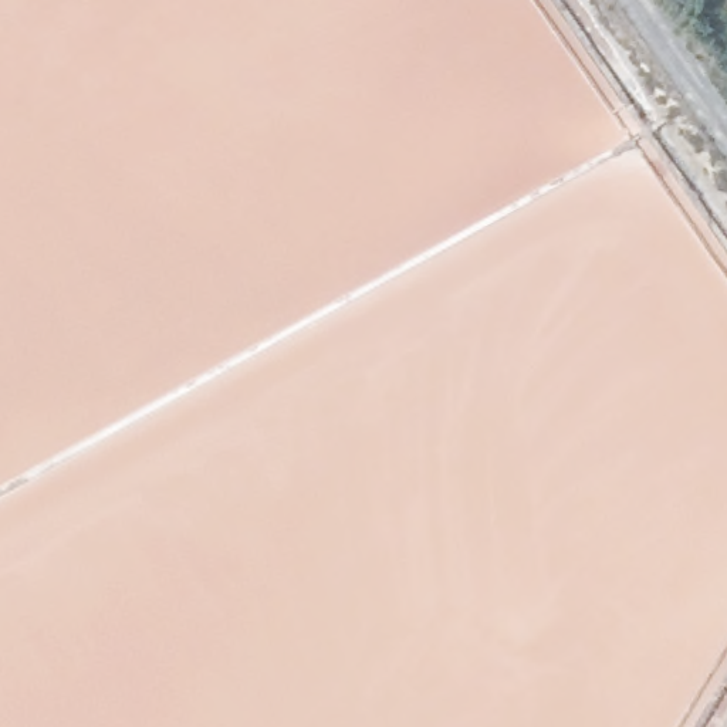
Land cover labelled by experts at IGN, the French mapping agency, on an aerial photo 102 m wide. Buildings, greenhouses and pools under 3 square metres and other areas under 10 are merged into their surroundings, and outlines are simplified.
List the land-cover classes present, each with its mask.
<instances>
[{"label":"water","instance_id":"1","mask_svg":"<svg viewBox=\"0 0 727 727\"><path fill-rule=\"evenodd\" d=\"M554 28L545 23L534 0H0V480L31 469L34 463L57 454L60 449L94 434L97 429L119 420L122 415L145 406L148 400L222 364L224 358L258 344L281 327L366 284L389 267L406 261L409 256L437 244L440 239L463 230L466 224L520 199L531 187L551 182L554 176H562L565 170L591 159L594 153L605 151V116L611 114V108L602 105L591 82H579V77L574 74V57L565 51L559 37H548ZM585 14L591 31L608 48L613 68L619 71V77L639 99V105L647 111L656 128L665 119L662 108L650 99L647 88L636 77L625 48L599 23L591 0H574ZM682 131L696 133V125H690L684 116L673 119L662 131V136L676 151V156L690 168L710 207L727 224V193L716 187L718 173L710 153L696 151L687 139L679 136ZM611 185L605 179H594L576 187L574 193L548 202L545 207H525L523 213L471 236L454 250L432 258L429 264L412 270L395 284L364 298L355 310H344L327 318L315 329L290 338L287 344L270 349L258 361H250L233 375L207 383L202 392L187 395L185 400L119 432L116 437L91 449L88 454L77 457L60 471L40 477L28 494L0 505V727H676L701 679L707 676V670L713 667L716 656L727 642V298L667 213H662L656 204H639L636 196L619 199L608 190Z\"/></svg>","mask_w":727,"mask_h":727},{"label":"pervious surface","instance_id":"2","mask_svg":"<svg viewBox=\"0 0 727 727\"><path fill-rule=\"evenodd\" d=\"M545 23L554 28L548 37H559L565 51L574 57V74L579 77V82H591L602 105L611 108V114L605 116V151L594 153L591 159L565 170L562 176H554L551 182L531 187L520 199L466 224L463 230L440 239L437 244L409 256L406 261L389 267L366 284L281 327L258 344L224 358L222 364L148 400L145 406L122 415L119 420L97 429L94 434L60 449L57 454L34 463L31 469L0 480V505L28 494L40 477L60 471L77 457L88 454L91 449L116 437L119 432L185 400L187 395L202 392L207 383L233 375L250 361H258L270 349L287 344L290 338L315 329L327 318L344 310H355L364 298L395 284L412 270L429 264L432 258L454 250L471 236L523 213L525 207H545L548 202L574 193L576 187L594 179H605L611 185L608 190L619 199L636 196L639 204H656L662 213H667L727 298V224L710 207L690 168L676 156V151L662 136V131L673 119L684 116L676 105L673 91H665V80H656V74H650L647 43L636 34L630 11L619 6V0H591L599 23L625 48L636 77L647 88L650 99L662 108L665 119L656 128L647 111L639 105V99L619 77V71L613 68L608 48L591 31L585 14L574 0H534ZM687 51L707 71L718 65L716 48L704 45L696 34H690ZM690 125H696V133L682 131L679 136L687 139L696 151L710 153L718 173L716 187L727 193V153L718 148L716 136L710 133L707 122L696 114V108L684 116ZM676 727H727V642L716 656L713 667L707 670V676L701 679Z\"/></svg>","mask_w":727,"mask_h":727},{"label":"impervious surface","instance_id":"3","mask_svg":"<svg viewBox=\"0 0 727 727\"><path fill-rule=\"evenodd\" d=\"M619 6L630 11L636 34L647 43L650 74H656V80H665V91H673L676 105L684 116L696 108V114L707 122L710 133L716 136L718 148L727 153V102L713 88L707 71L687 51L690 34L676 37L670 17L653 0H619Z\"/></svg>","mask_w":727,"mask_h":727},{"label":"brushwood","instance_id":"4","mask_svg":"<svg viewBox=\"0 0 727 727\"><path fill-rule=\"evenodd\" d=\"M670 17L676 37L690 34H696L704 45L716 48L718 65L707 71L713 88L727 102V0H653Z\"/></svg>","mask_w":727,"mask_h":727}]
</instances>
